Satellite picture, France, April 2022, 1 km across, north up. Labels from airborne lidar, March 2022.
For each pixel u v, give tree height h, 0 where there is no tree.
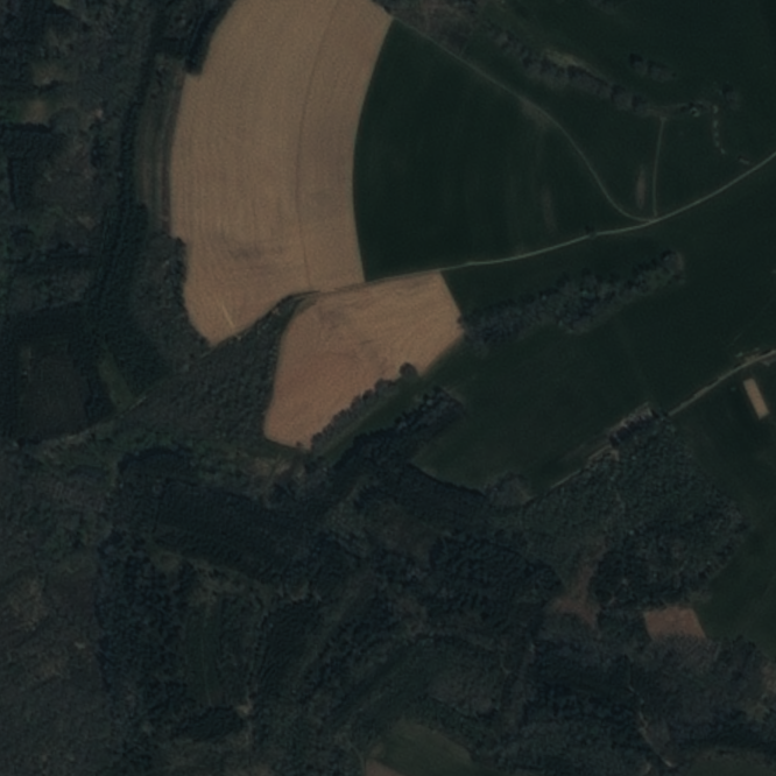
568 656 25
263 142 0
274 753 16
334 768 16
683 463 13
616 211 0
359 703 16
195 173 0
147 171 0
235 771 23
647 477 13
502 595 31
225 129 0
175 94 0
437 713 17
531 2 0
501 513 15
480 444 0
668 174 0
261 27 0
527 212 0
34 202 27
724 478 0
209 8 25
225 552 11
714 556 7
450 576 30
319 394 0
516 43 23
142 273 16
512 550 14
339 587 22
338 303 0
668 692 7
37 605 0
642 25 0
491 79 0
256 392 11
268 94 0
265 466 0
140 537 9
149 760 9
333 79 0
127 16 17
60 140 27
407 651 18
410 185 0
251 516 19
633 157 0
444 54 0
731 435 0
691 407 0
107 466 8
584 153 0
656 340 0
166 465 28
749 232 0
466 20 0
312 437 0
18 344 18
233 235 0
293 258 0
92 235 6
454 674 10
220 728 15
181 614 13
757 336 0
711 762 0
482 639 16
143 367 18
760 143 0
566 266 0
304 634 10
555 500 14
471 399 0
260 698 10
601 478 12
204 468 9
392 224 0
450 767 0
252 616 10
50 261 17
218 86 0
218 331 0
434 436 14
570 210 0
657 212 0
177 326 8
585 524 10
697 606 0
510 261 0
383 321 0
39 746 6
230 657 7
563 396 0
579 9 0
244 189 0
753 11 0
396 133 0
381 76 0
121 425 9
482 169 0
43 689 11
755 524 7
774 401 0
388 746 0
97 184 11
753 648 7
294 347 0
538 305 26
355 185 0
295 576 25
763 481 0
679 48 0
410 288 0
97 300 12
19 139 27
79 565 13
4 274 31
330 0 0
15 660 11
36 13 23
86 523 20
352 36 0
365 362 0
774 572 0
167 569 0
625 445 20
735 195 0
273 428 0
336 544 22
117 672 26
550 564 11
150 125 0
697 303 0
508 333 30
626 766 19
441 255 0
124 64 21
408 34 0
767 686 0
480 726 18
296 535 22
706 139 0
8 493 6
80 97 13
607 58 0
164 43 10
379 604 11
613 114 0
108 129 23
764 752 13
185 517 16
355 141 0
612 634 12
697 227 0
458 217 0
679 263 16
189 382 9
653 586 25
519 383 0
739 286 0
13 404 19
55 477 8
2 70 29
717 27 0
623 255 0
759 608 0
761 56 0
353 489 15
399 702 15
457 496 21
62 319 19
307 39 0
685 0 0
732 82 0
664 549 9
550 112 0
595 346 0
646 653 16
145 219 19
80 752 8
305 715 19
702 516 9
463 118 0
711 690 8
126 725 23
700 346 0
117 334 18
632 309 0
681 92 0
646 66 22
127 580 11
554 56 0
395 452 23
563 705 30
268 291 0
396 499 17
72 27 28
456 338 0
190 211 0
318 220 0
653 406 0
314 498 21
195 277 0
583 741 20
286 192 0
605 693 12
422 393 0
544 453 0
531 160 0
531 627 7
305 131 0
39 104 0
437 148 0
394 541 7
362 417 20
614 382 0
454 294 0
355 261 0
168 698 21
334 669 12
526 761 12
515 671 6
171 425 11
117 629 28
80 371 14
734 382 0
